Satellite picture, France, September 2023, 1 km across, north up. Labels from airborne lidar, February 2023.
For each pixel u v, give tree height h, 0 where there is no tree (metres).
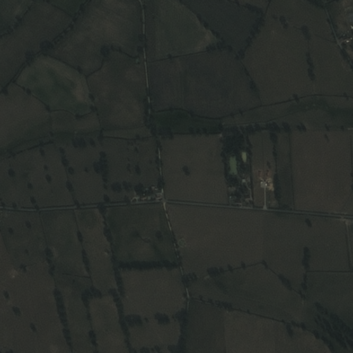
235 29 0
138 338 0
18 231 0
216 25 0
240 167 11
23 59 0
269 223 0
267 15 0
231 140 7
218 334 0
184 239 0
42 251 0
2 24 0
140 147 0
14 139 0
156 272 0
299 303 0
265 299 0
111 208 0
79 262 0
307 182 0
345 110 0
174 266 10
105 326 0
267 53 0
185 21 0
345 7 0
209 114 0
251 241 0
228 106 0
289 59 0
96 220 0
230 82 0
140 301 0
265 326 0
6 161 0
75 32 0
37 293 0
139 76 0
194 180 0
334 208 0
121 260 0
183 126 0
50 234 0
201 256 0
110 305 0
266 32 0
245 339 0
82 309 0
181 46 0
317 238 0
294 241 0
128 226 0
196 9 0
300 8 0
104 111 0
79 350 0
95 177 0
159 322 18
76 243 0
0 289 0
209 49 14
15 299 0
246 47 0
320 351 0
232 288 0
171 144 0
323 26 0
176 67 0
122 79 0
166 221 0
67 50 0
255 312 0
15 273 0
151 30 0
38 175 0
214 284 0
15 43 0
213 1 0
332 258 0
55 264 0
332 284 0
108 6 0
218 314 0
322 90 0
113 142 0
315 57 0
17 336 0
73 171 7
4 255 0
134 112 0
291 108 0
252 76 0
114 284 0
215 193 0
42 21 0
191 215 0
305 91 0
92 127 0
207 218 0
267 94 0
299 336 0
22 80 0
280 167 0
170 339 0
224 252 0
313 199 0
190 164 0
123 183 0
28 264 0
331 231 0
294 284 0
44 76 0
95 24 0
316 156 0
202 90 0
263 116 0
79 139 0
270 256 0
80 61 0
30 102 0
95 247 0
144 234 0
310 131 0
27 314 0
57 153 0
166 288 0
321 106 0
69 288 0
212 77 0
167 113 0
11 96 0
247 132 14
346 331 16
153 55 0
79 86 0
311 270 0
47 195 0
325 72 0
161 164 12
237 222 0
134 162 0
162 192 0
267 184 0
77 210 0
